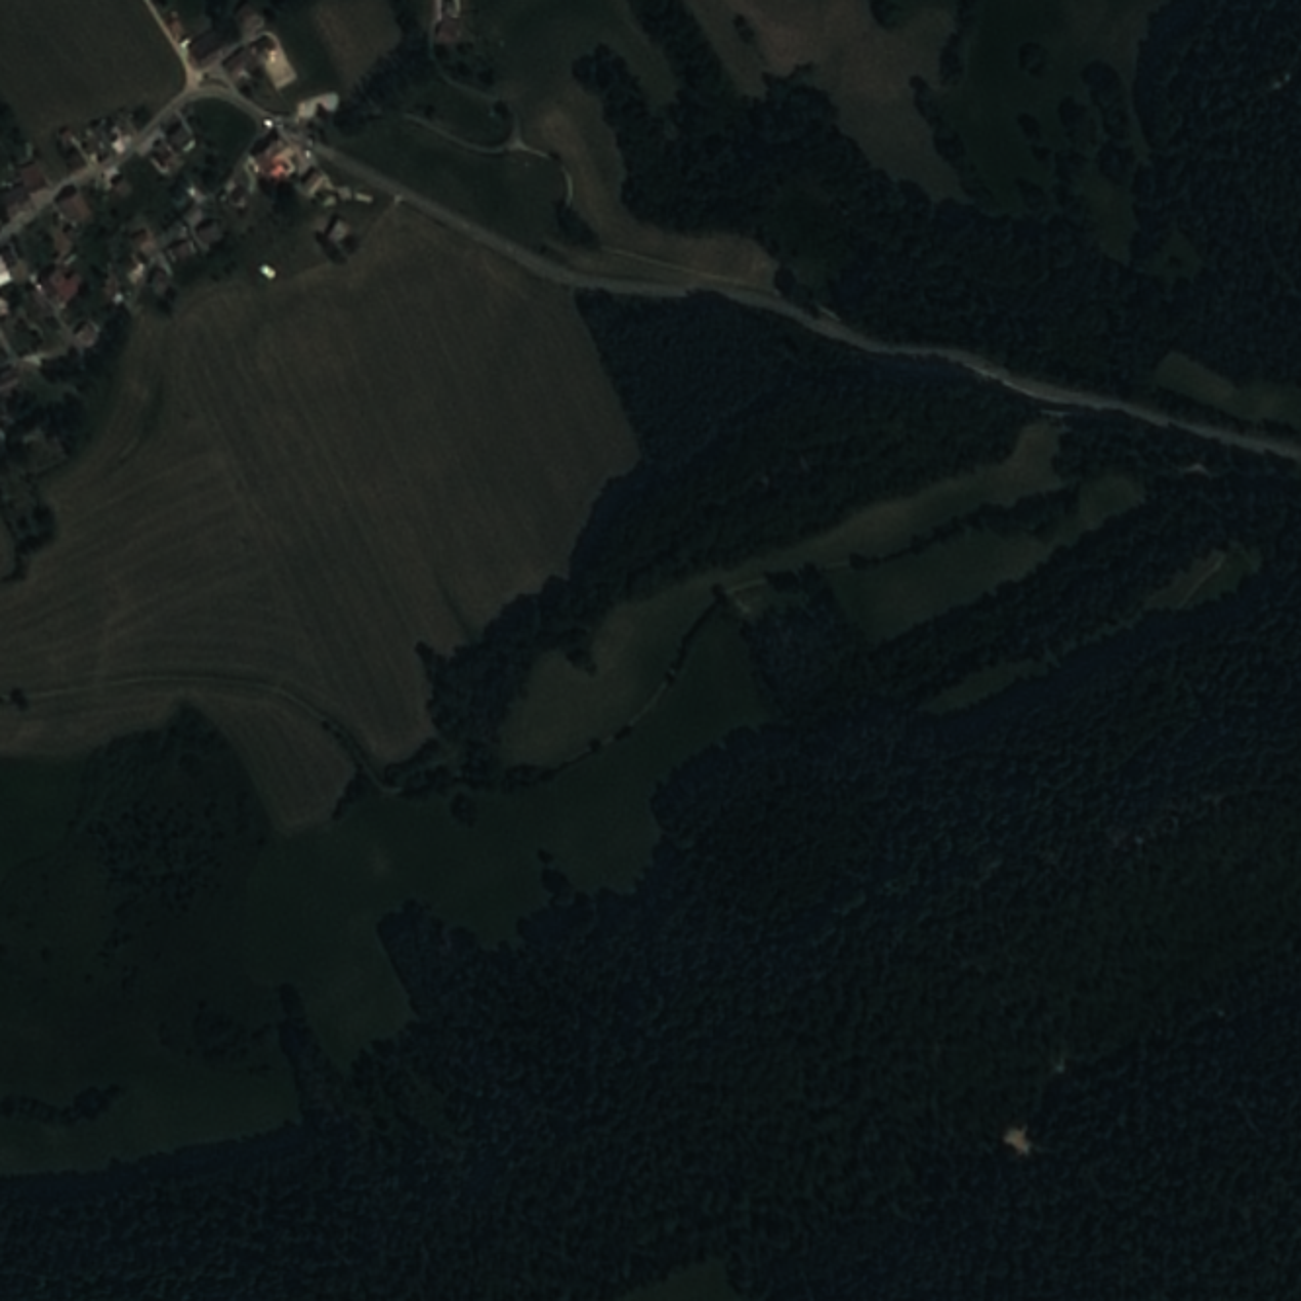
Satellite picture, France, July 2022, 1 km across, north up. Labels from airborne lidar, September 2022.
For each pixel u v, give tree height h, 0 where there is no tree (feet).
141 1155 0
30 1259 102
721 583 0
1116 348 79
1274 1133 64
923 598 0
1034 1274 94
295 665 0
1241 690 115
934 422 34
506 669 61
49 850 0
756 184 127
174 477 0
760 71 0
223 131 0
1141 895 40
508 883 0
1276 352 82
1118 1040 60
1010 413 39
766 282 0
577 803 0
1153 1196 72
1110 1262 73
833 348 25
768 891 53
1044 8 0
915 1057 61
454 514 0
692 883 102
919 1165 115
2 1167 0
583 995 28
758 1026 52
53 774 0
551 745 0
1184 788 32
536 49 0
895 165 0
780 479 41
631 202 65
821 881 53
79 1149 0
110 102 0
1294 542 87
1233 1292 68
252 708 0
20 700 56
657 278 0
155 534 0
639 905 46
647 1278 83
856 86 0
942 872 63
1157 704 112
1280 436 49
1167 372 0
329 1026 0
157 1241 63
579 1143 69
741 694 0
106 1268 83
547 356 0
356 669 0
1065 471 55
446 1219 64
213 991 0
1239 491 85
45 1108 24
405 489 0
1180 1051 51
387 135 0
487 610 0
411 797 51
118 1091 25
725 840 49
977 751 119
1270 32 114
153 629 0
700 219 86
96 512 0
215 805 23
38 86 0
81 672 0
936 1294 96
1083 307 103
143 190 0
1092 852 46
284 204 56
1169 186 88
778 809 53
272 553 0
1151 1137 46
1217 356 72
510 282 0
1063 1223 83
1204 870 53
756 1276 72
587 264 0
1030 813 104
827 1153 76
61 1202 70
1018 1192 100
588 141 0
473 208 0
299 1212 101
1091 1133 54
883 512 0
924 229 104
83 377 45
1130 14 0
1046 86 0
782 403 100
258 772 0
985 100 0
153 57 0
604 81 78
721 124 30
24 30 0
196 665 0
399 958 70
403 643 0
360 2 0
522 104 0
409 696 0
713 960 54
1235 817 50
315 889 0
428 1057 51
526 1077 45
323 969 0
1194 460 34
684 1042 95
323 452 0
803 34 0
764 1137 46
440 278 0
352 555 0
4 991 0
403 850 0
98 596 0
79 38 0
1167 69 81
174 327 0
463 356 0
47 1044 0
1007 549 0
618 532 83
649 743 0
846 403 74
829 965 63
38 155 26
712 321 75
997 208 71
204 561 0
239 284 0
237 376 0
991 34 0
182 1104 0
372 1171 105
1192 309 87
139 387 0
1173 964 66
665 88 0
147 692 0
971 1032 55
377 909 0
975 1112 79
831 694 38
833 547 0
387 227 0
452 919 0
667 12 93
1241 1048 69
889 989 32
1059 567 54
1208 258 74
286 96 0
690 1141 38
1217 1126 75
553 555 0
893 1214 61
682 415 89
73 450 31
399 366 0
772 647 76
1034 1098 76
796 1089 33
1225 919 57
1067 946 47
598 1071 111
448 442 0
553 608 71
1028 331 79
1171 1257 22
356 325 0
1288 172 40
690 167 111
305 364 0
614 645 0
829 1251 92
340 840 0
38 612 0
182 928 0
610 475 0
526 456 0
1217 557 0
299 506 0
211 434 0
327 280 0
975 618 36
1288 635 119
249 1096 0
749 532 30
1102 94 76
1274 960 63
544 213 0
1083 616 76
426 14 0
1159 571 73
